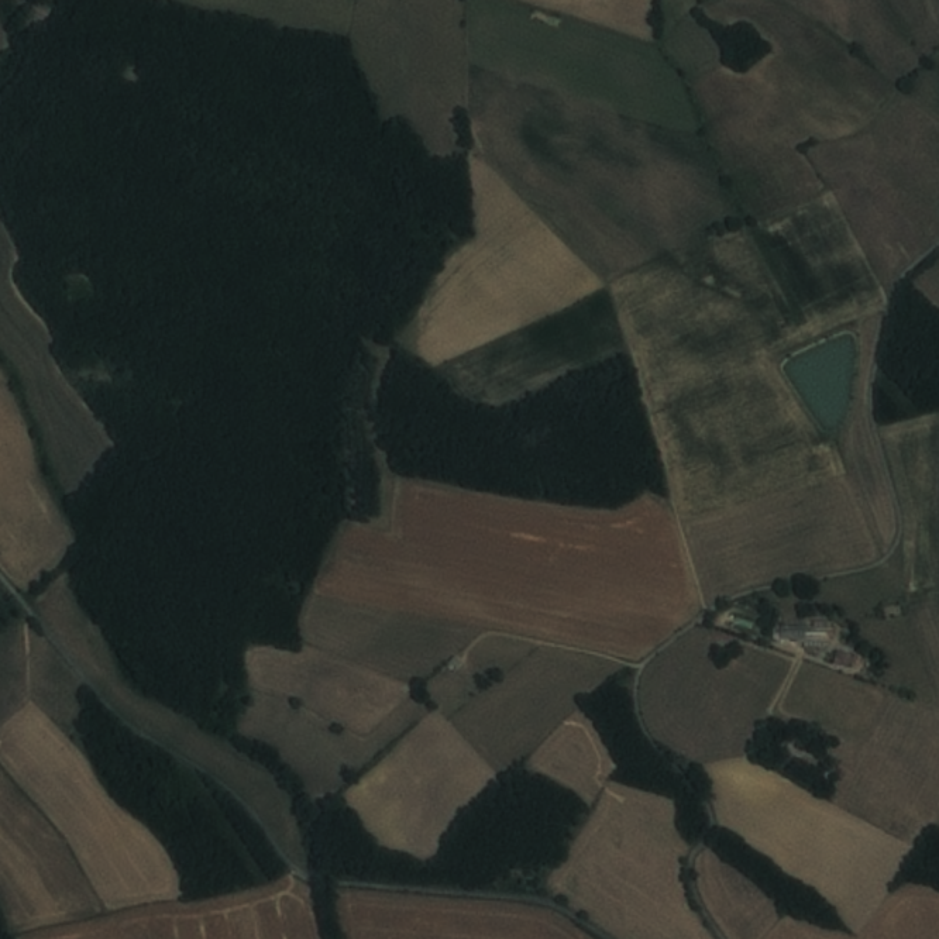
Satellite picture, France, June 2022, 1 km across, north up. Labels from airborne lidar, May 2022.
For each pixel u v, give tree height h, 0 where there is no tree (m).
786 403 0
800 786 8
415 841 0
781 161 0
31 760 0
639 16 0
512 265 0
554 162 0
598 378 15
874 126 0
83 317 15
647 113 0
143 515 17
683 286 0
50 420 0
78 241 12
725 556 0
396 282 22
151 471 14
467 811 13
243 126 17
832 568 0
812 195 0
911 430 0
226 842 12
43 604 0
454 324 0
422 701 15
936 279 0
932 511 0
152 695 14
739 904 0
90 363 7
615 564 0
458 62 0
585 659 0
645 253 0
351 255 20
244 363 13
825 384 0
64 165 13
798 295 0
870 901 0
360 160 16
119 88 15
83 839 0
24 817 0
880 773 0
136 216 12
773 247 0
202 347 14
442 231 8
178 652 15
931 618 0
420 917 0
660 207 0
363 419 25
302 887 0
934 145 0
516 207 0
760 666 0
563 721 0
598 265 0
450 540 0
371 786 0
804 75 0
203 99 17
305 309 16
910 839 0
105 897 0
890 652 0
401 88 0
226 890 13
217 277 16
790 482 0
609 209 0
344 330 19
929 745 0
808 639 0
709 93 0
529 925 0
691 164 0
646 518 0
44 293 12
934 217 0
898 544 0
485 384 0
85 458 0
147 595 16
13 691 0
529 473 16
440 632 0
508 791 18
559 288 0
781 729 13
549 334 0
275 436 11
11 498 0
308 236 12
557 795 14
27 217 13
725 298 0
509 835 14
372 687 0
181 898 10
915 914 0
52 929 0
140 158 14
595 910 0
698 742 0
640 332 0
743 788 0
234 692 8
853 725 0
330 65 19
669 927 0
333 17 0
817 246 0
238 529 16
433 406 18
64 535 0
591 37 0
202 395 12
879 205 0
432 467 15
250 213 12
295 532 10
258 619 12
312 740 0
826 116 0
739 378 0
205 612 14
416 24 0
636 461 16
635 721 13
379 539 0
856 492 0
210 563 15
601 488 14
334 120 16
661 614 0
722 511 0
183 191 11
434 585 0
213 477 16
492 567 0
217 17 17
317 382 14
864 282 0
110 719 17
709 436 0
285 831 0
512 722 0
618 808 0
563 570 0
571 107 0
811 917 13
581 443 15
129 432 17
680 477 0
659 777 14
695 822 10
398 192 29
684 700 0
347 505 20
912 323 13
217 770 0
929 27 0
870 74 0
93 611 16
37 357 0
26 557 0
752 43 11
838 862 0
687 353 0
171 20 17
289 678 0
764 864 16
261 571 14
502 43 0
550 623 0
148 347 14
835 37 0
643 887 0
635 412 15
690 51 0
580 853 0
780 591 13
